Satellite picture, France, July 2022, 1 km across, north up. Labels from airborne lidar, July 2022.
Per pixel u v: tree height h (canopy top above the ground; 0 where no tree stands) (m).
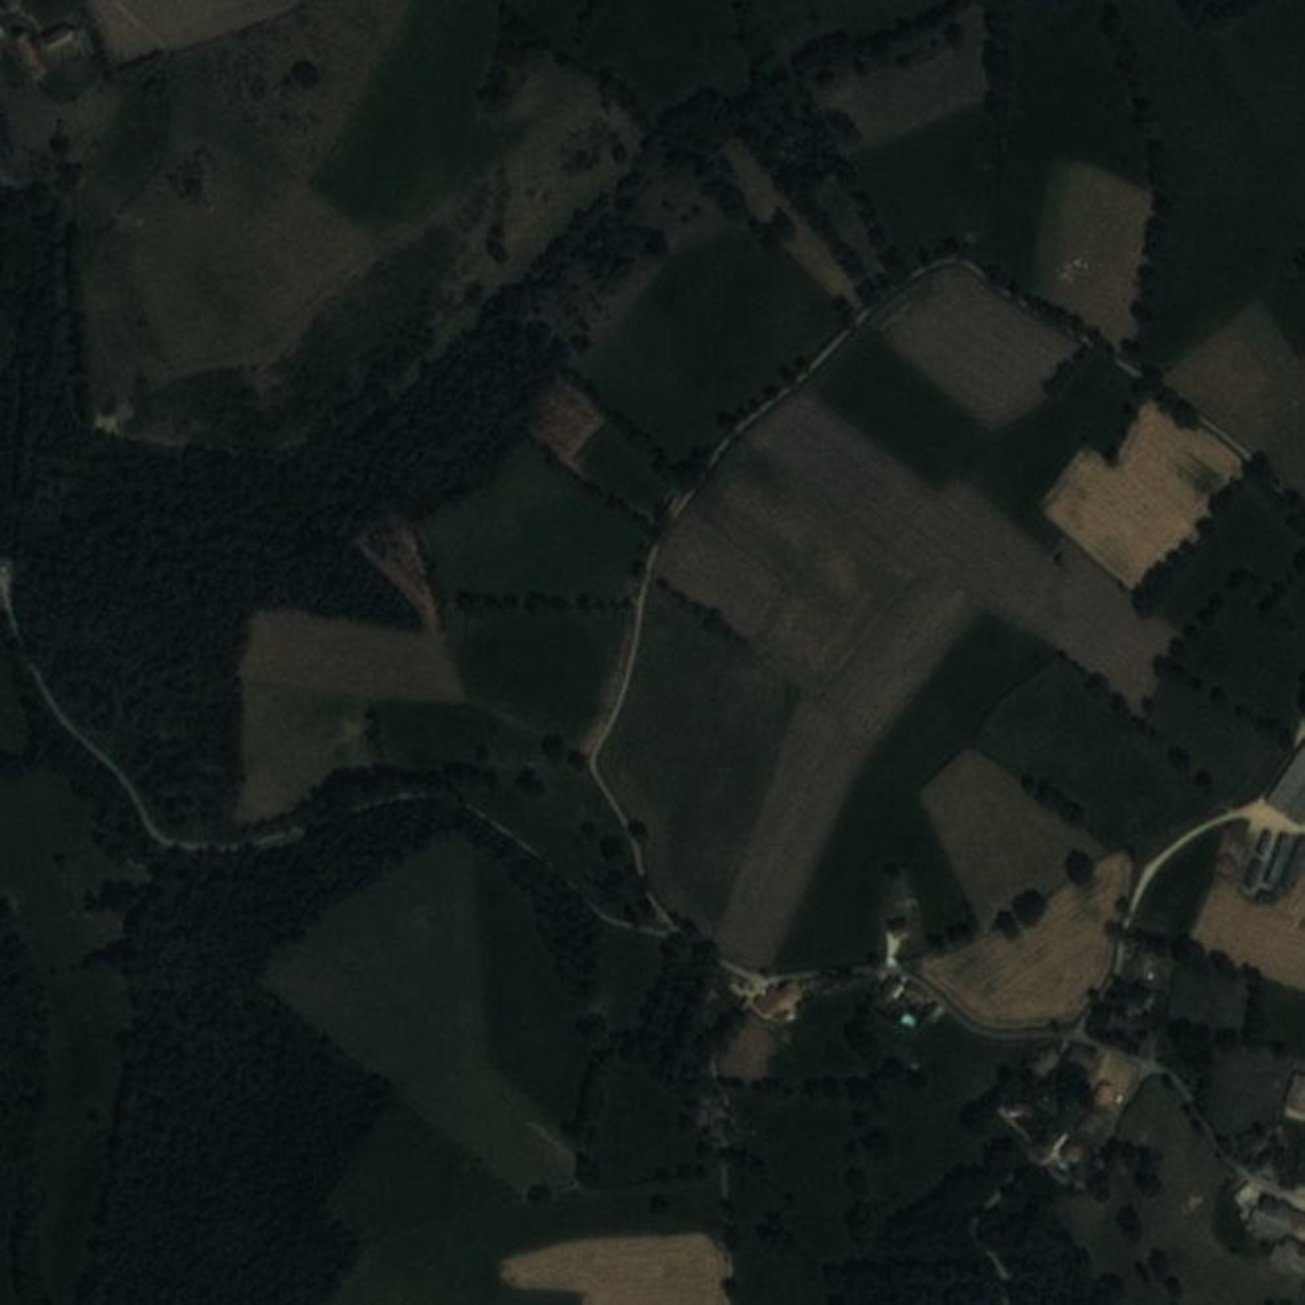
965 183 0
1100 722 0
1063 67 0
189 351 0
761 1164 14
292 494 21
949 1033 0
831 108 0
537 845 0
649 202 0
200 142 0
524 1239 0
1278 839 0
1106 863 0
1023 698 0
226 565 15
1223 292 0
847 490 0
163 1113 21
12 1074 9
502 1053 0
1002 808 0
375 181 0
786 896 0
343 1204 0
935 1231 18
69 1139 0
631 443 15
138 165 0
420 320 7
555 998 0
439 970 0
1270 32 0
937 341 0
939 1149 0
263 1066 8
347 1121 9
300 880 17
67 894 0
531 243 0
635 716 0
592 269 6
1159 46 0
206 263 0
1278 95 0
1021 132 0
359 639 0
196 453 12
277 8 0
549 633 0
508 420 19
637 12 0
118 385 0
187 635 15
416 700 0
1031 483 0
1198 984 0
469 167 0
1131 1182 0
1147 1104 0
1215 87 0
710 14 0
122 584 13
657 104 0
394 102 0
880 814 0
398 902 0
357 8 0
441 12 0
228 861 15
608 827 0
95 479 15
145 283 0
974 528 0
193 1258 8
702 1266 0
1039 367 0
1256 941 0
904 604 0
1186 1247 0
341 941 0
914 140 0
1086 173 0
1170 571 13
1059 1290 13
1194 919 0
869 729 0
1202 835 0
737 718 0
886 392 0
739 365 0
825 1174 0
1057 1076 6
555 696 0
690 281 0
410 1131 0
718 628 14
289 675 0
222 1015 12
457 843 0
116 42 0
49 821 0
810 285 0
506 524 0
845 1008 0
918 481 0
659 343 0
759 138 21
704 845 0
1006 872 0
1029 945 0
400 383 9
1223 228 0
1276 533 0
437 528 0
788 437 0
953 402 0
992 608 0
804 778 0
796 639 0
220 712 6
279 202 0
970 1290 12
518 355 19
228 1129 11
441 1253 0
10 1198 23
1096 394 0
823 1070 0
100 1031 0
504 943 0
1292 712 0
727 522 0
